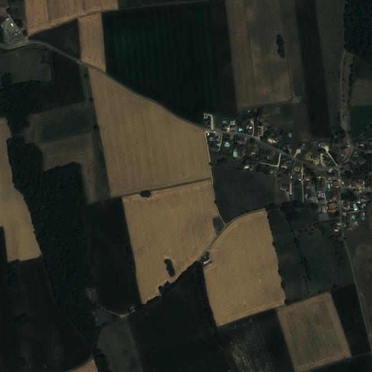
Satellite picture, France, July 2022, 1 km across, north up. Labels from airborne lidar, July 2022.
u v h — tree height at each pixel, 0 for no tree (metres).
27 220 0
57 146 0
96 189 0
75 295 16
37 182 12
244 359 0
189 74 0
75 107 0
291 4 0
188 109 0
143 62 0
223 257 0
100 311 0
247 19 0
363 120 0
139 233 0
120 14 0
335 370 0
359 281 0
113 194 0
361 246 0
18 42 0
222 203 0
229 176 0
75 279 18
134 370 0
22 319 20
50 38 0
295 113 0
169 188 0
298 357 0
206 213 0
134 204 0
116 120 0
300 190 0
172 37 0
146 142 0
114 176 0
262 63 0
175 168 0
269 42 0
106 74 0
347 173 13
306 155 0
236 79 0
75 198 20
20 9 0
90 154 0
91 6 0
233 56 0
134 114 0
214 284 0
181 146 0
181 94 0
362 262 0
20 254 0
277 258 0
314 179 6
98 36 0
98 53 0
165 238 0
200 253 0
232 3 0
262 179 0
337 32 0
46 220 20
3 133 0
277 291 0
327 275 0
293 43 0
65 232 15
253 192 0
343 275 0
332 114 0
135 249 0
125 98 0
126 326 0
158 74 0
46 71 0
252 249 0
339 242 6
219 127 0
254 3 0
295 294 0
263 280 0
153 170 0
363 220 0
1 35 7
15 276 21
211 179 0
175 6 0
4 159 0
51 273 22
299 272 0
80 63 0
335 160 11
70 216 18
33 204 22
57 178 21
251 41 0
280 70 0
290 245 0
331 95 0
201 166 0
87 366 0
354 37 28
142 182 0
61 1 0
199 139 0
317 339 0
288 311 0
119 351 0
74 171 23
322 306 0
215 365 0
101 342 0
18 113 12
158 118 0
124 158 0
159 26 0
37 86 22
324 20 0
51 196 20
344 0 0
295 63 0
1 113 22
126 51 0
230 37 0
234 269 0
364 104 0
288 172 8
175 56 0
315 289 0
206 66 0
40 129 0
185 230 0
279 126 0
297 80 0
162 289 14
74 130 0
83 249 13
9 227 0
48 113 0
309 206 14
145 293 0
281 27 0
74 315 20
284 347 0
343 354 0
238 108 0
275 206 10
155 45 0
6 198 0
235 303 0
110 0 0
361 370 0
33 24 0
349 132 9
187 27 0
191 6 0
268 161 6
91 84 0
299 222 0
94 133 0
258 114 10
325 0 0
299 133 0
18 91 20
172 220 0
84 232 9
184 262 0
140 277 0
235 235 0
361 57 23
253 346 0
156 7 0
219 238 0
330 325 0
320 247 0
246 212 6
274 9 0
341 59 0
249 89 0
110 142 0
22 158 21
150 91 0
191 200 0
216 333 10
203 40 0
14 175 13
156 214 0
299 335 0
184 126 0
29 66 0
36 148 15
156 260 0
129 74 0
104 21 0
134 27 0
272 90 0
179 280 12
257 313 0
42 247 24
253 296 0
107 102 0
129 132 0
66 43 0
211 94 0
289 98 0
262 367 0
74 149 0
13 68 0
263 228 0
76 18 0
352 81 12
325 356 0
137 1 0
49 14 0
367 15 29
